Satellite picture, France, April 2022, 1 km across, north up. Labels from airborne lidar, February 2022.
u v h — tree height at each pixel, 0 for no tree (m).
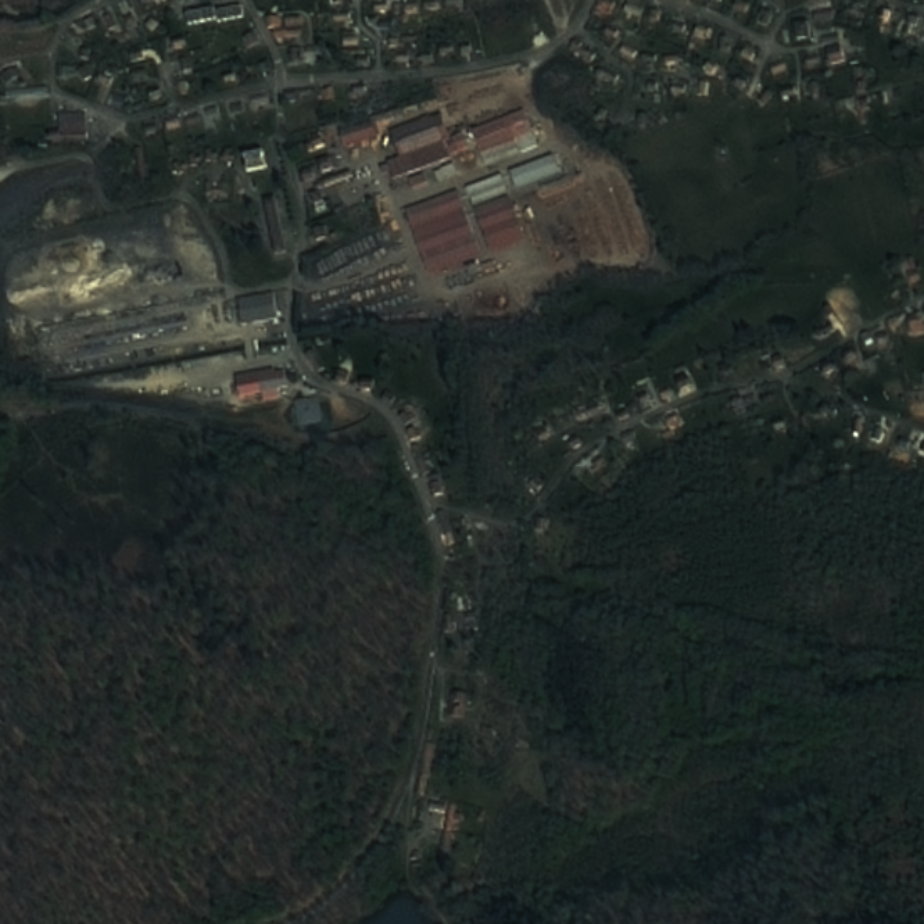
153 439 0
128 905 25
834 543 18
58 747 24
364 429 0
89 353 0
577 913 26
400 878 14
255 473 28
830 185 0
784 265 0
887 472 8
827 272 0
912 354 0
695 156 0
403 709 32
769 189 0
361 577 28
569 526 14
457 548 0
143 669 25
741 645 31
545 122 0
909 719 11
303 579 34
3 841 28
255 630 36
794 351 0
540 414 18
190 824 19
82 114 0
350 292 0
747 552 13
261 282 0
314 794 31
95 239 0
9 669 24
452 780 10
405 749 28
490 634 12
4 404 0
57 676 26
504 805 0
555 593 22
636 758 28
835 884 23
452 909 18
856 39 0
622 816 31
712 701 25
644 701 26
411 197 0
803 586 11
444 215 0
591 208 0
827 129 0
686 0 0
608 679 20
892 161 0
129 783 25
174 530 0
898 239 0
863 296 0
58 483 0
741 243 0
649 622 21
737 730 15
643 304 0
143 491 0
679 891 28
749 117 0
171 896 29
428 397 0
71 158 0
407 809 0
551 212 0
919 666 12
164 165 0
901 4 0
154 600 26
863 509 11
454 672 0
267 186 0
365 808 8
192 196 0
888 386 0
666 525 8
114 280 0
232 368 0
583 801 27
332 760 28
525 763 0
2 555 0
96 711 25
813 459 13
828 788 9
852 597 0
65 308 0
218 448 20
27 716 22
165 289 0
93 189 0
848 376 13
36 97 0
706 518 11
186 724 25
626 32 0
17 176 0
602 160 0
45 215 0
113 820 24
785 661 23
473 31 0
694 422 0
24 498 0
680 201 0
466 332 10
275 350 0
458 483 0
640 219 0
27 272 0
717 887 30
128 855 21
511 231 0
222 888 30
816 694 29
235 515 30
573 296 12
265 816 28
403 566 23
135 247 0
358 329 25
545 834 23
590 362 25
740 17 0
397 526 19
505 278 0
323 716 30
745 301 0
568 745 27
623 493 14
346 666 29
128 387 0
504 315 0
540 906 20
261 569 32
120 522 0
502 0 0
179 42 0
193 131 0
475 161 0
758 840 7
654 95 0
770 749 23
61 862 26
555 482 0
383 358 7
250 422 0
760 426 6
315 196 0
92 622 27
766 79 0
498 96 0
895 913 14
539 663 24
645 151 0
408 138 0
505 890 20
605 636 22
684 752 29
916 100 0
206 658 25
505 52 0
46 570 0
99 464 30
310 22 0
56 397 15
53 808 25
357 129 0
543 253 0
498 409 18
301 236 0
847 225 0
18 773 26
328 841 24
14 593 25
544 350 27
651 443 0
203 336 0
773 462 0
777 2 0
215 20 0
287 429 0
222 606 31
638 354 0
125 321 0
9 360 16
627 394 0
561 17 0
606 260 0
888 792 11
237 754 28
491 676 0
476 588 7
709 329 0
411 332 21
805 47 0
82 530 0
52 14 11
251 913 24
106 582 28
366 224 11
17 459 27
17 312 0
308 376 0
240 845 32
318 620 29
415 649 31
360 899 28
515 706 0
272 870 29
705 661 14
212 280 0
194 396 0
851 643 0
